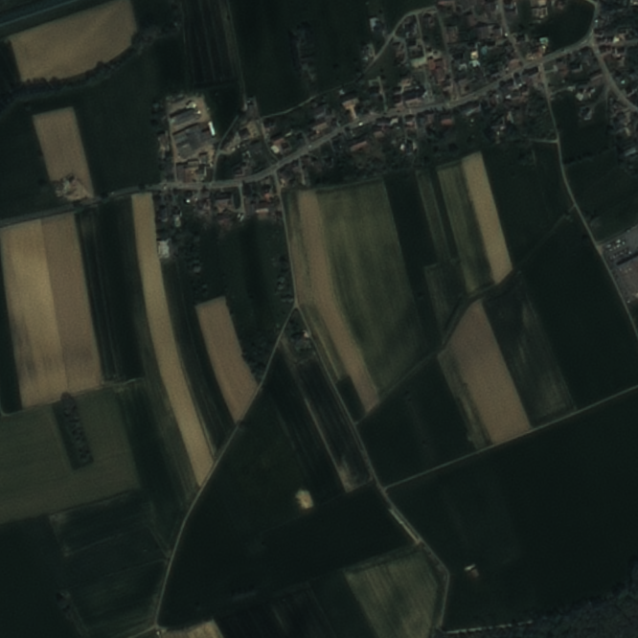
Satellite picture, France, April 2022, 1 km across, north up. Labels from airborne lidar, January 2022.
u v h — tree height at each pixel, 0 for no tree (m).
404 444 0
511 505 0
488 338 0
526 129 12
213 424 0
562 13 0
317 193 0
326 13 0
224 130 0
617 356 0
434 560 0
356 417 0
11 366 0
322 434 0
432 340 0
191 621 0
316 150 0
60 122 0
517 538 0
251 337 0
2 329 0
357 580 0
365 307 0
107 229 0
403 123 7
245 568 0
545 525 0
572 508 0
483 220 0
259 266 0
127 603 0
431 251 0
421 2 0
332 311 0
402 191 0
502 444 0
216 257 0
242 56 0
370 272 0
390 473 0
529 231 0
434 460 0
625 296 0
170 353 0
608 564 0
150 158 0
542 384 0
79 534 0
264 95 0
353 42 0
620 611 21
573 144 0
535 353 0
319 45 0
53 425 0
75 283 0
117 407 0
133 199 0
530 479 0
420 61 0
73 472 0
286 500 0
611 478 0
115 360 0
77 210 10
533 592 0
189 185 0
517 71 0
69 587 0
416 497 0
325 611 0
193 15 0
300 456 0
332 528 0
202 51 0
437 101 0
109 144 0
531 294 0
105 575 0
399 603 0
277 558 0
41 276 0
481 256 0
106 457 0
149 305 0
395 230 0
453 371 0
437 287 0
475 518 0
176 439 0
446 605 0
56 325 0
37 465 0
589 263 0
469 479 0
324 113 0
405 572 0
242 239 0
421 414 0
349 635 0
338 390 0
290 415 0
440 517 0
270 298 0
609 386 0
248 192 17
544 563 0
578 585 0
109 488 0
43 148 0
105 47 0
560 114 0
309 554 0
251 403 0
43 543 0
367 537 0
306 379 0
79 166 0
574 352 0
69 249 0
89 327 0
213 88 0
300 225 0
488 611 0
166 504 0
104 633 0
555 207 0
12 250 0
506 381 0
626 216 0
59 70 0
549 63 0
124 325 0
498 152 0
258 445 0
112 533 0
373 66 0
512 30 0
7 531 0
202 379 0
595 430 0
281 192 0
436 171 0
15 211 0
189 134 0
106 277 0
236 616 0
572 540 0
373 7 0
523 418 0
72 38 0
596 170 0
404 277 0
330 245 0
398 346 0
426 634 0
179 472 0
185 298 0
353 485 0
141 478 0
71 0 0
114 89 0
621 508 0
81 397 0
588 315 0
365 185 0
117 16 0
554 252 0
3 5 0
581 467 0
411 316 0
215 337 0
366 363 0
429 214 0
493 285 0
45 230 0
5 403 0
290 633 0
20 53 0
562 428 0
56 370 0
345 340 0
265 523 0
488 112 21
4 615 0
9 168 0
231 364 0
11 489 0
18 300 0
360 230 0
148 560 0
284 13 0
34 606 0
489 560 0
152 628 0
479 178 0
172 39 0
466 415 0
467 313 0
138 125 0
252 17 0
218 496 0
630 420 0
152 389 0
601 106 0
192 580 0
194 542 0
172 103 0
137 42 15
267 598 0
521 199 0
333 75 0
